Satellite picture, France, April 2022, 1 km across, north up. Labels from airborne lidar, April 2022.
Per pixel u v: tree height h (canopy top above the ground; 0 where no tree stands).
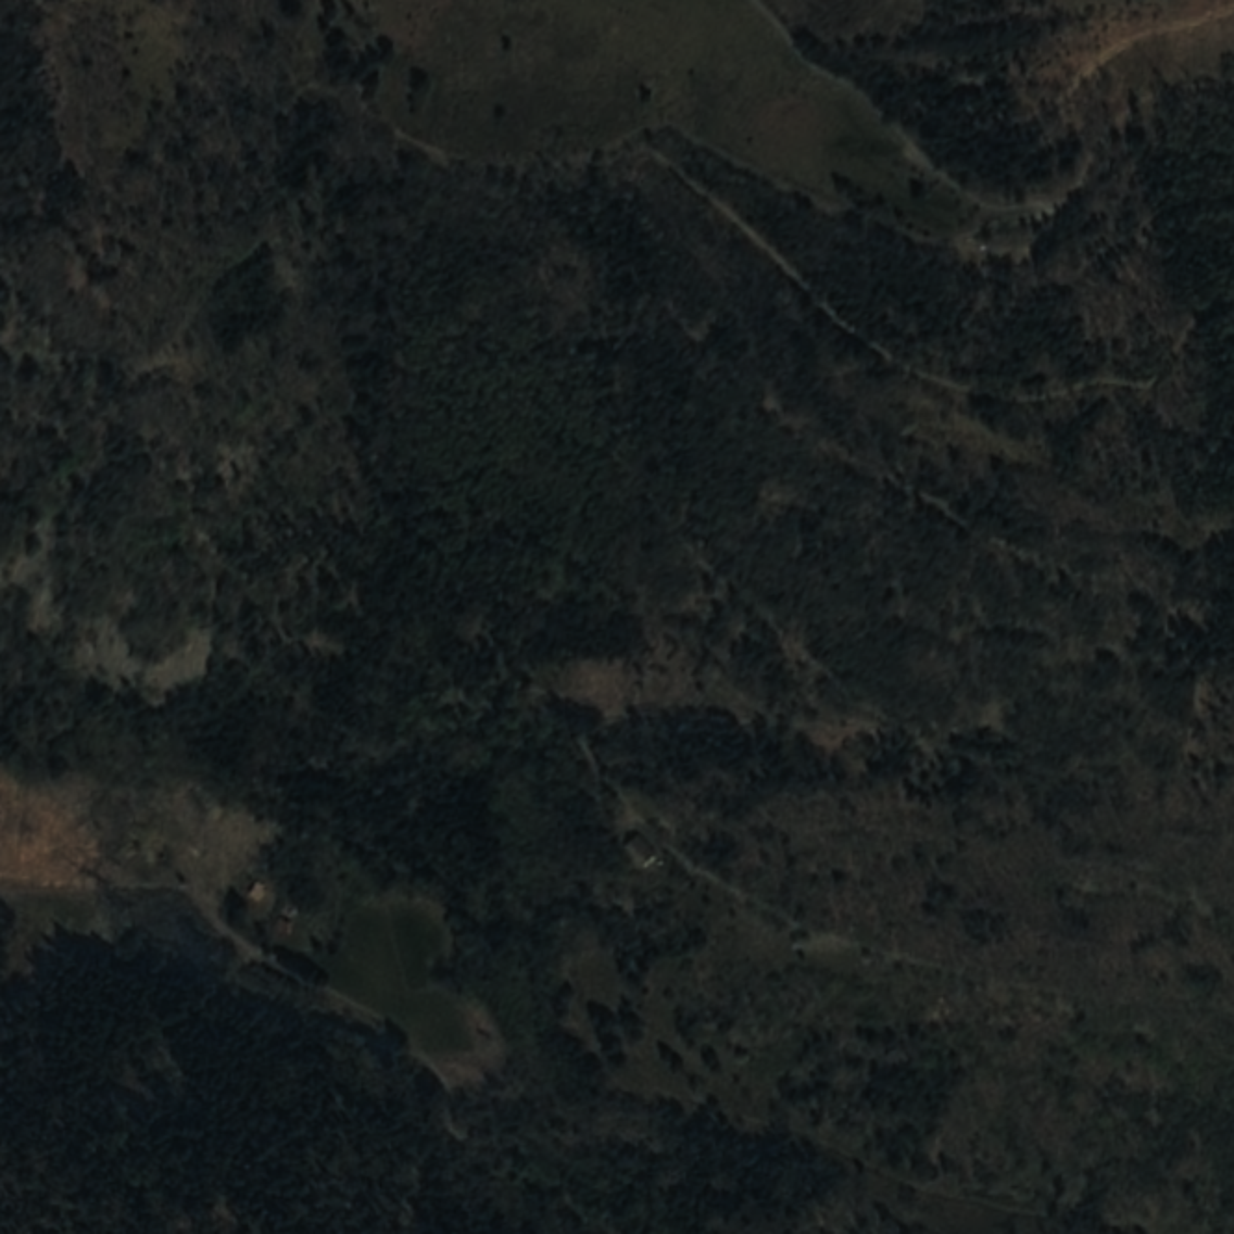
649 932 8
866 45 16
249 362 29
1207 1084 22
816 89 0
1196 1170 17
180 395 12
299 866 21
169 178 19
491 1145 18
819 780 12
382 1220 33
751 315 21
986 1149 13
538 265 25
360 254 30
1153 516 6
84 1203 24
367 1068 15
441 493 35
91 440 24
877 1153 17
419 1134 21
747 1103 17
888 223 8
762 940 0
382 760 20
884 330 20
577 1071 15
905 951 16
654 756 14
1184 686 22
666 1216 11
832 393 19
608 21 0
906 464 18
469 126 0
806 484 20
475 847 18
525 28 0
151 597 16
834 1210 14
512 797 19
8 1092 26
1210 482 23
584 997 0
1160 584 27
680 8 0
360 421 7
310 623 8
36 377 26
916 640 25
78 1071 41
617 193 26
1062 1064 16
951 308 17
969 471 18
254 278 19
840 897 13
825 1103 15
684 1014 15
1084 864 8
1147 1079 17
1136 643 14
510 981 19
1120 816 19
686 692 0
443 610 19
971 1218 0
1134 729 19
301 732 14
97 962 29
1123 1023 10
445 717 15
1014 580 20
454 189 22
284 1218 24
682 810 13
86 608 24
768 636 21
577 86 0
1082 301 25
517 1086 16
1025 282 20
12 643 21
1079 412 7
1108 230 13
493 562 33
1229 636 28
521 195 18
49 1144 24
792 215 16
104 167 8
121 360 11
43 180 24
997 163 12
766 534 21
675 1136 15
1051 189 7
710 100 0
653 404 24
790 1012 16
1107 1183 23
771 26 0
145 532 23
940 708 25
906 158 0
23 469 26
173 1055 22
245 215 31
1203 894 19
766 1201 13
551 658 27
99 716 20
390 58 18
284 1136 26
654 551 21
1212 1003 14
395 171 25
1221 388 26
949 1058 10
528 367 32
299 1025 11
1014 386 6
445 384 28
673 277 21
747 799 12
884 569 24
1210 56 0
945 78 8
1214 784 18
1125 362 11
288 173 16
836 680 19
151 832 0
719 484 21
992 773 16
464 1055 0
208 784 17
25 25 19
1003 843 15
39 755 9
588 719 20
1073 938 9
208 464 27
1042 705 19
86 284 19
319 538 32
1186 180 28
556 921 20
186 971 20
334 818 21
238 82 26
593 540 26
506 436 33
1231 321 30
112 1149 34
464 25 0
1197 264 28
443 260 20
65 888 0
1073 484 6
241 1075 23
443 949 0
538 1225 28
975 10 6
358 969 0
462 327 29
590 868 18
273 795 7
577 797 20
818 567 23
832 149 0
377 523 28
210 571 21
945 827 13
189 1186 23
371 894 18
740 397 18
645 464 17
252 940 9
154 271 24
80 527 15
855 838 15
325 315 34
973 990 21
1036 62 7
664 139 11
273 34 25
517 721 20
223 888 0
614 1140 11
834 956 0
